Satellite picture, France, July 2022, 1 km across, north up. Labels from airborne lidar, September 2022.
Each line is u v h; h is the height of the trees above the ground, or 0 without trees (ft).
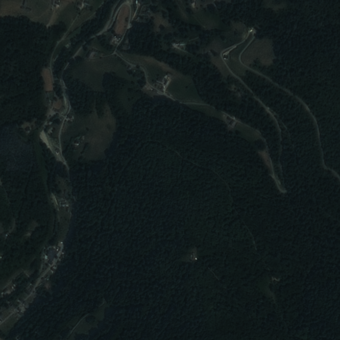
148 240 73
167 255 63
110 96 58
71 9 0
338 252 105
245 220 68
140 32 62
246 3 32
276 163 36
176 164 55
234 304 55
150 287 55
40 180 64
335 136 32
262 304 103
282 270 64
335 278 31
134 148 73
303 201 81
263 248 50
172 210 62
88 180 70
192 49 56
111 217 73
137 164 41
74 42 67
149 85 0
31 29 77
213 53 72
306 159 39
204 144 77
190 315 72
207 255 26
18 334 37
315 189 72
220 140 94
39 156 0
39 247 45
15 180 115
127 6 0
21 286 44
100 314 0
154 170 41
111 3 56
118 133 33
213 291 36
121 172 26
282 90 32
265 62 0
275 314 86
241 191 89
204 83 41
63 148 0
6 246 58
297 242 68
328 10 26
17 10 0
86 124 0
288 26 46
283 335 71
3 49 63
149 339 81
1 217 36
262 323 32
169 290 53
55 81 22
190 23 0
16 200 83
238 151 94
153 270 97
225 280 77
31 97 65
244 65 0
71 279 41
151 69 0
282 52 81
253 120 85
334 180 27
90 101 100
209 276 63
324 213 20
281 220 77
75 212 84
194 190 60
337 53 49
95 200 77
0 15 0
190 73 99
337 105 23
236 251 91
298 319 63
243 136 0
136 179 65
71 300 56
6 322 0
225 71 0
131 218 36
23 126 0
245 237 62
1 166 63
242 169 75
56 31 48
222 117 0
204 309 62
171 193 47
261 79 28
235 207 73
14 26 96
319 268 103
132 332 31
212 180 54
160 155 34
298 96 39
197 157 61
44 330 47
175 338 69
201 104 0
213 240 77
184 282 76
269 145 77
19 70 73
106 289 40
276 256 82
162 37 27
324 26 60
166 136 90
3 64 87
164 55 85
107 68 0
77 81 26
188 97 0
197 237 58
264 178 79
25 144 80
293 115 59
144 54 40
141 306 108
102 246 83
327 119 30
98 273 56
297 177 77
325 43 48
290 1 22
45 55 55
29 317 34
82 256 98
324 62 45
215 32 31
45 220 84
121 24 0
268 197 82
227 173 74
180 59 103
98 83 0
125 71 0
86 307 75
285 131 55
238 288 61
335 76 37
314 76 79
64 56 71
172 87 0
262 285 0
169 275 60
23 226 74
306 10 55
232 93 38
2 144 98
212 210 80
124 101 0
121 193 60
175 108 78
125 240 64
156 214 61
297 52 63
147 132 81
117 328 85
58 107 0
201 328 76
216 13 84
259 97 47
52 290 0
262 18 55
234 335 103
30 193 67
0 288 0
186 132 115
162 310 61
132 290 79
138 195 62
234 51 0
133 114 33
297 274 80
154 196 46
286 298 31
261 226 98
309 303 89
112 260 49
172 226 80
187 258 0
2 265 47
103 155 0
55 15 0
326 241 38
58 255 0
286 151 72
